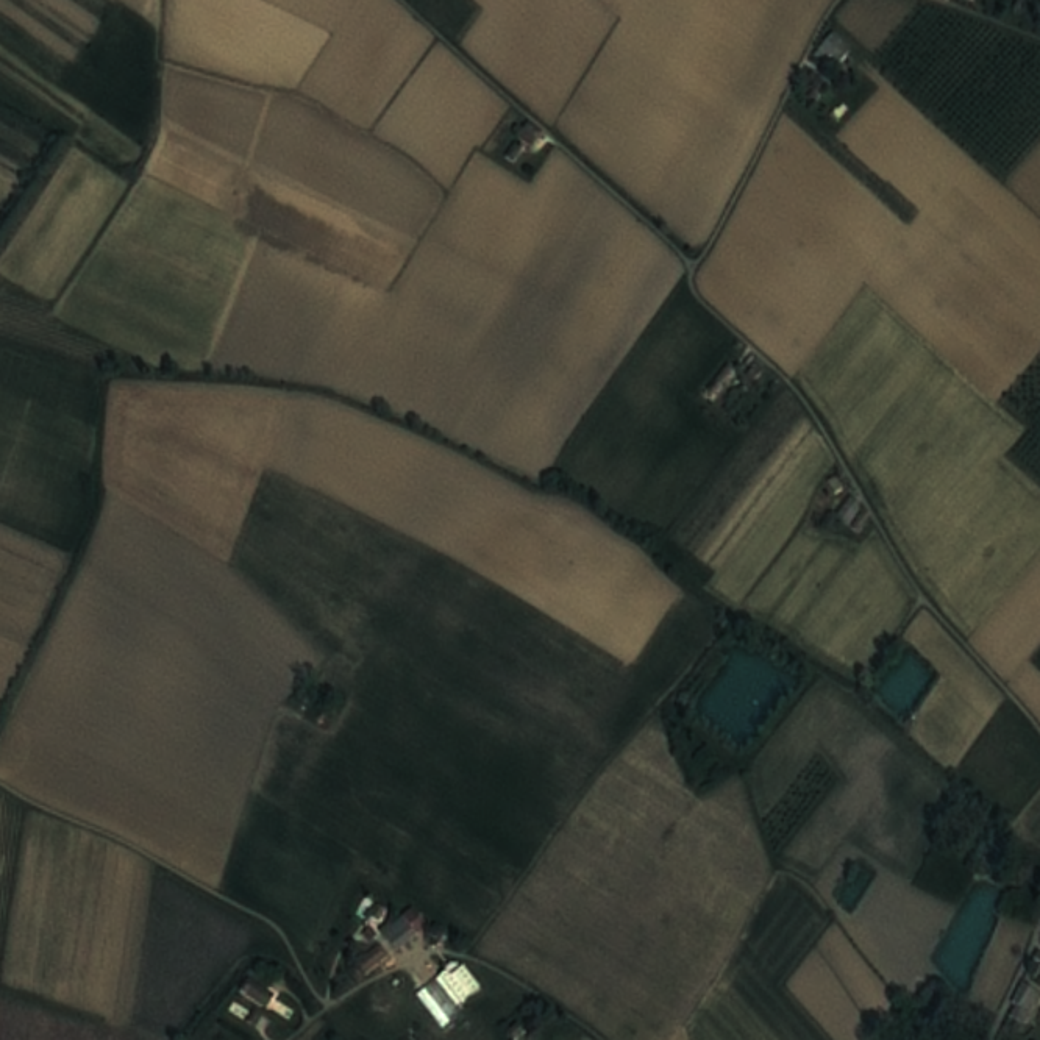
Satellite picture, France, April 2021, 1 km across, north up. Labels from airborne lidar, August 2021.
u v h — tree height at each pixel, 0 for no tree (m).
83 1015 0
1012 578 0
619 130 0
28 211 21
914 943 0
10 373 0
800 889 0
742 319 0
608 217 0
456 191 0
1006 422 0
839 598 0
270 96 0
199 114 0
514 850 0
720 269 0
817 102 8
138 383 0
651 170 0
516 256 0
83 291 0
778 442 0
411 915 0
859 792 0
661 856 0
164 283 0
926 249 0
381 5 0
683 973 0
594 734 0
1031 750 0
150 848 0
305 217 0
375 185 0
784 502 0
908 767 0
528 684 0
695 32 0
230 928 0
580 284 0
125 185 0
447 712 0
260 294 0
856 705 0
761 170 0
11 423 0
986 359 0
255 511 0
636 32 0
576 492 10
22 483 0
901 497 0
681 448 0
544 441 0
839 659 0
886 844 0
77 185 0
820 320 0
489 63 0
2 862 0
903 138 0
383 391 0
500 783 0
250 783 0
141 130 0
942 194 0
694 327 0
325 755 0
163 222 0
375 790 0
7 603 0
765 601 0
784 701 18
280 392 0
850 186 0
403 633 0
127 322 0
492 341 0
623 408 0
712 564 0
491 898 0
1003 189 0
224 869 0
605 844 0
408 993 0
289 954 0
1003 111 6
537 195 0
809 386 0
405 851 0
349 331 0
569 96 0
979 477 0
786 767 0
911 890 0
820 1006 0
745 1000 0
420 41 0
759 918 0
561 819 0
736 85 0
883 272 0
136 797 0
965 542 0
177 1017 0
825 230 0
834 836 0
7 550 0
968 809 20
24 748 0
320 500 0
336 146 0
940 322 0
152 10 0
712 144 0
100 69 0
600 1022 0
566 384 0
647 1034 0
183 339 0
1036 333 0
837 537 0
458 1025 0
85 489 0
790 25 0
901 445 0
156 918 0
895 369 0
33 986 0
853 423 0
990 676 0
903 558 0
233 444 0
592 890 0
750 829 0
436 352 0
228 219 0
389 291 0
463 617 0
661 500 0
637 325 0
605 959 0
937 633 0
